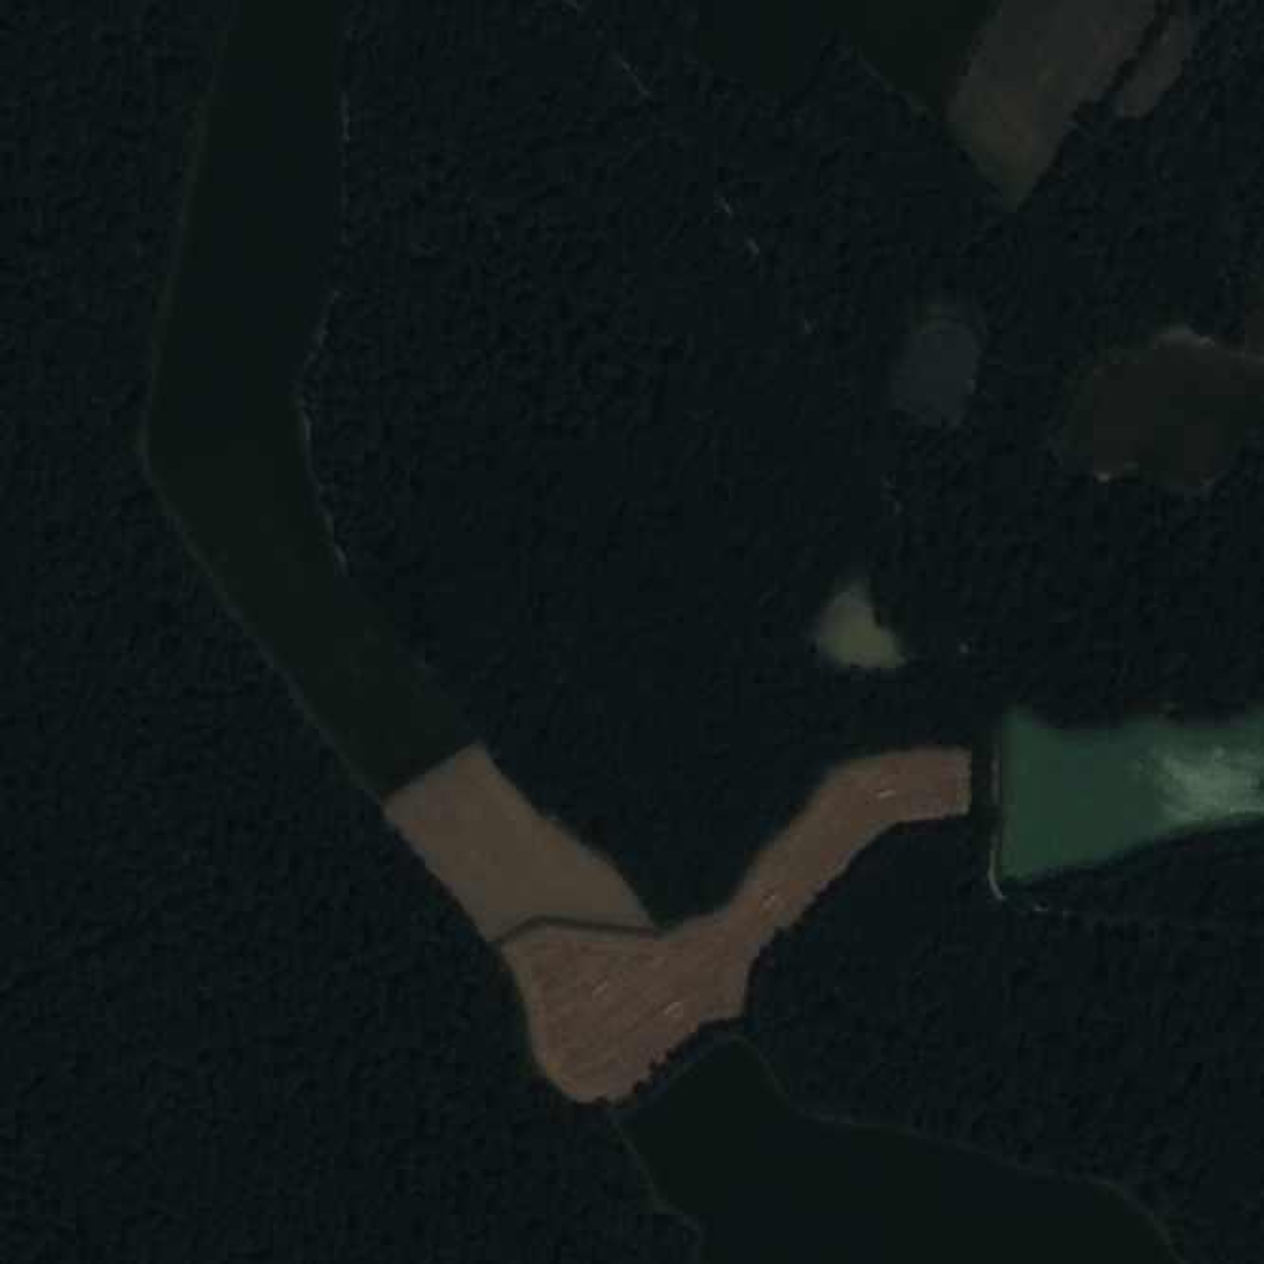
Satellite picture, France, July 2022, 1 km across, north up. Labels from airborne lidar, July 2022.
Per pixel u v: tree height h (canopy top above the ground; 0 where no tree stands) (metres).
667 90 22
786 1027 19
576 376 20
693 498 23
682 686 18
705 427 19
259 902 27
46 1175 26
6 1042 30
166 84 24
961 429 8
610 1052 0
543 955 0
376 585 23
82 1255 27
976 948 21
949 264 15
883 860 16
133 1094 24
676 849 22
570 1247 27
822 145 19
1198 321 20
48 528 9
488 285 20
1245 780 0
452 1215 27
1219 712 22
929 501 18
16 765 24
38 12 24
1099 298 24
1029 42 0
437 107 21
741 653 18
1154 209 26
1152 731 0
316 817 25
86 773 29
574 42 13
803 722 20
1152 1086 27
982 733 22
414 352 14
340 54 0
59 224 24
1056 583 21
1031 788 0
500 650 20
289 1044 22
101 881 24
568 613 24
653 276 24
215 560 0
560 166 20
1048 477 16
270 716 25
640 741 19
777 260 25
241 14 0
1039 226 18
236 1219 27
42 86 27
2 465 24
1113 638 18
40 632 26
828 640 0
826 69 16
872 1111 16
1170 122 12
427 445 20
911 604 23
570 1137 25
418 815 0
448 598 20
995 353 18
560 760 17
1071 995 19
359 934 25
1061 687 19
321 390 16
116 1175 28
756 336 25
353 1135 31
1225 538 16
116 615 25
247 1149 25
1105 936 17
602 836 26
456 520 24
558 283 6
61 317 22
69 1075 24
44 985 23
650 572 21
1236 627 15
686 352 22
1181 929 21
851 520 20
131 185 21
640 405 22
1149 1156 20
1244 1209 16
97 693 26
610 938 0
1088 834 0
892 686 21
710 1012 0
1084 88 0
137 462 17
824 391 19
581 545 20
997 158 0
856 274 27
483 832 0
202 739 16
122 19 25
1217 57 14
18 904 27
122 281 22
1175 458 0
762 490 17
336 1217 24
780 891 0
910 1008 19
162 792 28
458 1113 26
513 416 21
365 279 18
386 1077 25
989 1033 20
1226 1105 25
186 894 24
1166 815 0
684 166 22
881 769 0
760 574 18
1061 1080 20
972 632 18
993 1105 13
